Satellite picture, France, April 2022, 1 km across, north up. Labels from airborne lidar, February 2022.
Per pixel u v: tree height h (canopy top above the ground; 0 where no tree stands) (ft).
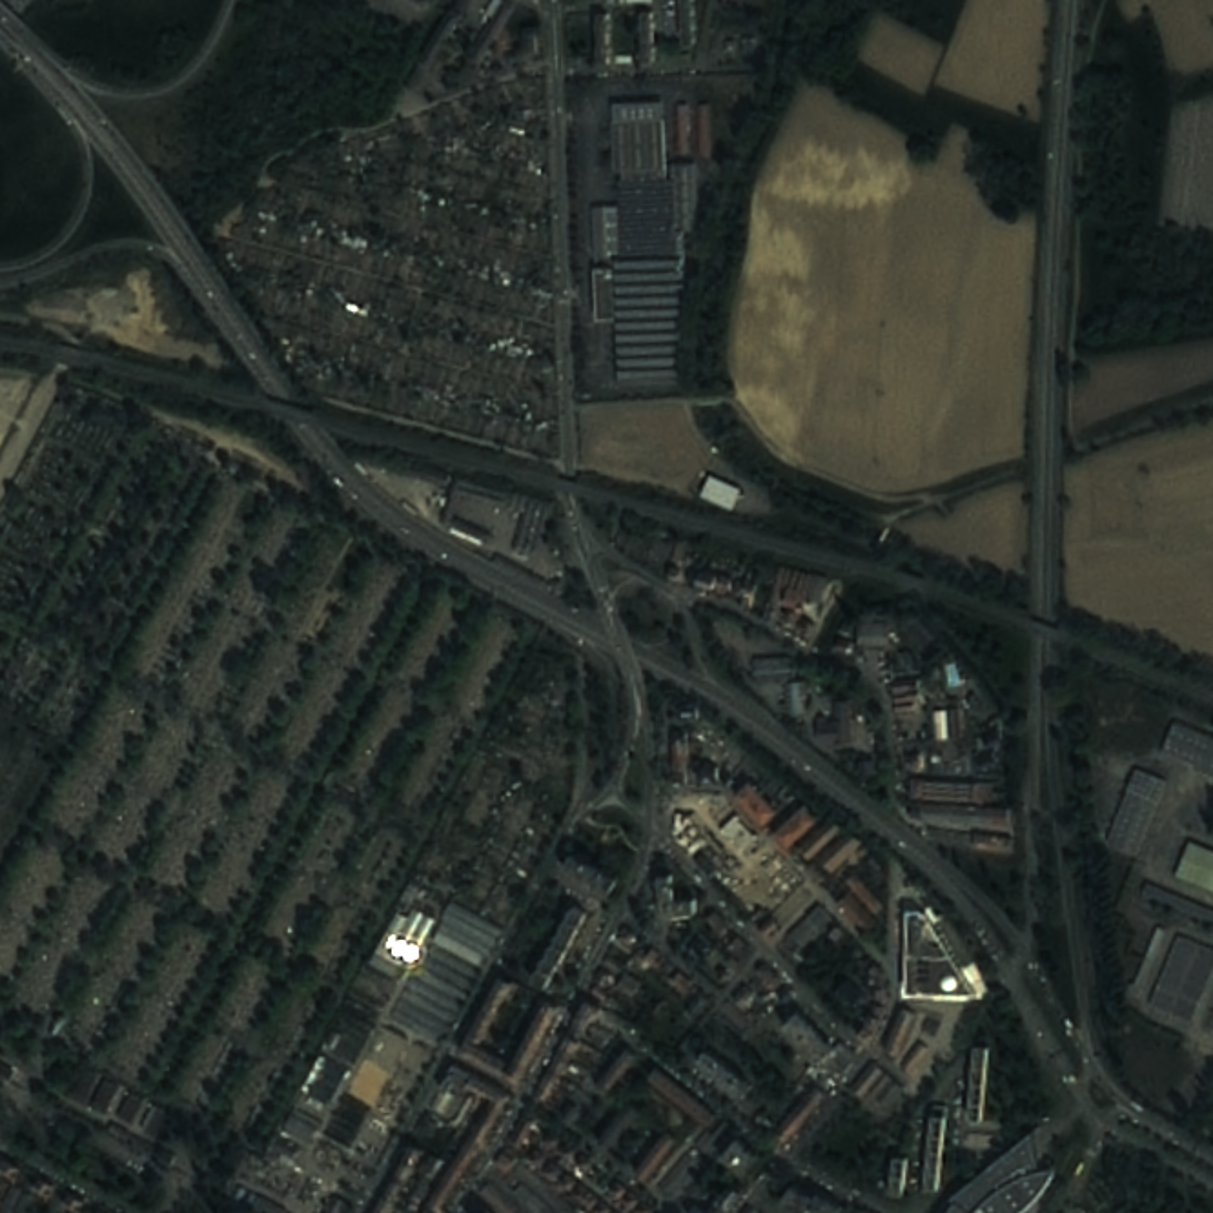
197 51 0
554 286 0
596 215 0
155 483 40
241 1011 0
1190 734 0
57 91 0
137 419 44
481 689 0
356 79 34
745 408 0
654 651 0
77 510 0
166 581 39
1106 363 0
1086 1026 0
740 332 0
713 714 44
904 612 45
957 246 0
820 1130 43
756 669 0
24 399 0
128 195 0
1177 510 0
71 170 0
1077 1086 0
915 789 0
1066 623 52
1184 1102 0
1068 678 38
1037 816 29
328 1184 0
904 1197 48
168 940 44
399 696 0
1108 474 0
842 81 24
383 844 0
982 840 0
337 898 0
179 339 0
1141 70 0
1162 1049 0
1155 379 0
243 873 0
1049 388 0
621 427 0
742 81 0
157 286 0
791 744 0
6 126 0
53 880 0
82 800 0
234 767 0
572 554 0
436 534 0
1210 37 0
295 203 0
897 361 0
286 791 0
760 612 24
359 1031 0
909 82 0
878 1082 0
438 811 33
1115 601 0
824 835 0
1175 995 0
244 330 0
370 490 0
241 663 54
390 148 0
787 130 0
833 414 0
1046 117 0
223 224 0
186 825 0
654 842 0
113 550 59
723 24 0
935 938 0
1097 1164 0
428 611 26
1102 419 0
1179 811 0
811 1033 0
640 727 0
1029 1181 0
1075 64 0
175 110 0
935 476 0
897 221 0
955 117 0
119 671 52
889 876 34
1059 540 0
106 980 0
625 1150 43
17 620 35
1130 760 0
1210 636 0
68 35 0
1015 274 0
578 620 0
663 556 0
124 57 0
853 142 0
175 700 55
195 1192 25
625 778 0
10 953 0
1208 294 41
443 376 0
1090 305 0
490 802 0
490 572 0
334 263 0
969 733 0
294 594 36
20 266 0
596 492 0
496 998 0
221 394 0
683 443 0
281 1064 0
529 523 0
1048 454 0
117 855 0
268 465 0
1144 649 62
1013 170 34
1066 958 0
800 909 0
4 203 0
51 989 0
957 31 0
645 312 0
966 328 0
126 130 0
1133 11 0
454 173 0
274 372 0
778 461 0
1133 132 0
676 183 0
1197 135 0
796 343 0
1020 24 0
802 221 0
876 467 0
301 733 0
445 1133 0
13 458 0
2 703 41
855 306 0
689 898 0
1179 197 0
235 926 42
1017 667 0
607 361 0
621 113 0
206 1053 0
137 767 38
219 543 0
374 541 48
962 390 0
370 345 0
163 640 0
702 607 18
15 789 0
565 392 0
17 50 0
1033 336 0
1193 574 0
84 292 0
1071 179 0
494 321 0
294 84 37
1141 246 31
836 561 0
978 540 0
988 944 0
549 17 0
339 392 0
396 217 0
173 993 0
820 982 25
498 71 34
